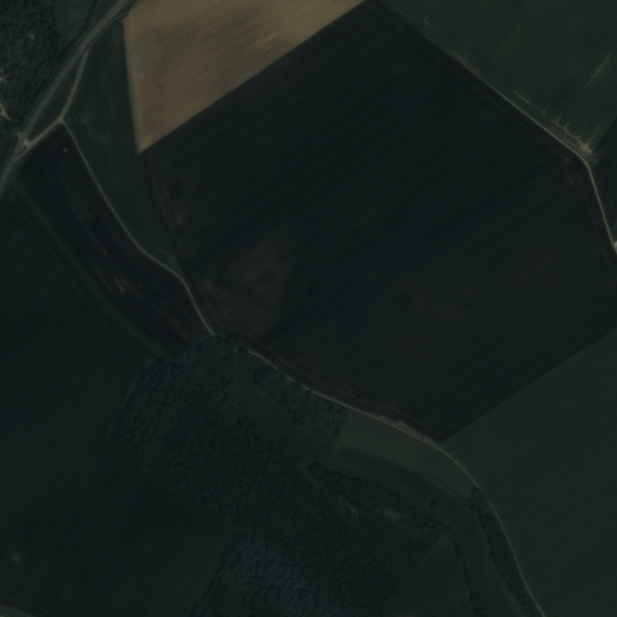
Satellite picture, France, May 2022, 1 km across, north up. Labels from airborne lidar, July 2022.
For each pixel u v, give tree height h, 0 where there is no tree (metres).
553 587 0
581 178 0
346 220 0
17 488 0
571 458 0
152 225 0
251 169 0
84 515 0
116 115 0
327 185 0
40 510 0
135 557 0
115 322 0
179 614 0
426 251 0
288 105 0
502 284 0
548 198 0
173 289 0
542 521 0
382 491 16
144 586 0
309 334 0
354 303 0
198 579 0
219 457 21
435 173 0
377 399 0
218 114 0
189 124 0
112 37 0
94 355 0
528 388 0
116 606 0
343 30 0
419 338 0
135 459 0
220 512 7
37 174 0
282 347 0
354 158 0
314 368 0
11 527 0
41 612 0
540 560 0
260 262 0
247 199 0
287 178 0
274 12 0
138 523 0
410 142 0
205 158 0
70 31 0
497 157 0
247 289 0
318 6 0
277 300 0
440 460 0
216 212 0
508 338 0
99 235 0
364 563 23
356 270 0
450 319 0
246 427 21
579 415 0
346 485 17
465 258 0
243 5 0
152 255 0
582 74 0
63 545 0
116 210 0
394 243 0
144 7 0
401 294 0
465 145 0
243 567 34
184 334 0
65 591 0
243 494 24
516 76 0
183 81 0
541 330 0
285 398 22
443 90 0
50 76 17
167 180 0
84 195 0
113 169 0
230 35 0
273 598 31
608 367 0
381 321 0
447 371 0
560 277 0
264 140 0
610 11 0
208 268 0
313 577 26
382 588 23
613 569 0
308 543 25
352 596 21
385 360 0
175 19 0
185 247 0
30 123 0
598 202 0
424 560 7
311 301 0
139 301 0
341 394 0
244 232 0
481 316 0
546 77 0
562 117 0
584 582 0
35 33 7
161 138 0
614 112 0
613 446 0
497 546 16
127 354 0
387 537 5
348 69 0
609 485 0
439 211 0
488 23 0
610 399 0
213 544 0
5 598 0
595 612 0
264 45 0
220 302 0
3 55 18
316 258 0
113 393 0
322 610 22
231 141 0
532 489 0
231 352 20
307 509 24
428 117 0
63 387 0
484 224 0
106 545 0
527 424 0
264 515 22
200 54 0
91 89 0
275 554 25
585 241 0
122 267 0
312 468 12
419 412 0
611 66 0
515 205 0
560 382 0
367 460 0
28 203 0
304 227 0
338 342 0
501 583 0
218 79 0
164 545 0
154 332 0
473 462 0
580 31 0
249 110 0
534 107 0
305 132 0
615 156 0
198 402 22
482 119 0
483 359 0
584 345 0
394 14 0
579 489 0
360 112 0
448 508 0
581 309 0
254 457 23
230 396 24
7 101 11
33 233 0
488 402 0
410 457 0
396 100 0
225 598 16
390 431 0
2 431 0
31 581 0
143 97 0
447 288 0
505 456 0
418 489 0
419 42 0
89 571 0
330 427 16
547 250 0
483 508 21
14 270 0
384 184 0
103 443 0
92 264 0
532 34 0
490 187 0
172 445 22
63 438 0
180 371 20
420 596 0
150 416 18
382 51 0
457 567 0
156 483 0
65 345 0
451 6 0
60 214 0
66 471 0
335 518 23
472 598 15
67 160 0
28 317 0
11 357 0
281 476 22
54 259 0
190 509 0
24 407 0
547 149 0
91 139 0
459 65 0
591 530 0
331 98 0
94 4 8
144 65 0
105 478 0
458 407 0
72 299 0
